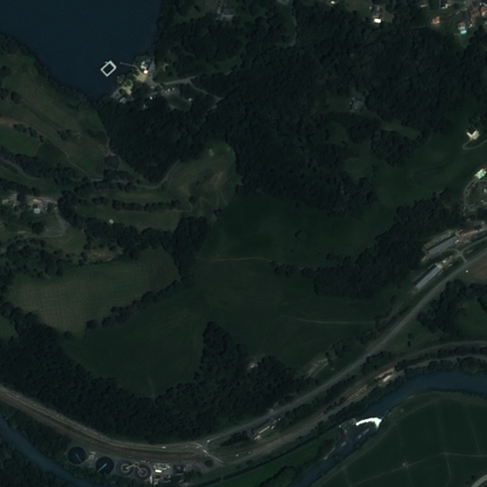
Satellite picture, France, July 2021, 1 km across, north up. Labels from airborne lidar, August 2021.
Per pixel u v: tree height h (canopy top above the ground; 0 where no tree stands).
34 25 0
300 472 11
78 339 0
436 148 0
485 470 0
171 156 21
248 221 0
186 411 23
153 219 0
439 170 0
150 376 0
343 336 0
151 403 23
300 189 33
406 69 23
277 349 0
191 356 0
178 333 0
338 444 0
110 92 0
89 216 0
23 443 0
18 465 22
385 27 25
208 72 0
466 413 0
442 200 24
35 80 0
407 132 0
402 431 0
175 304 0
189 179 0
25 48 7
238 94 19
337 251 0
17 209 11
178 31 18
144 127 15
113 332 0
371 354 0
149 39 0
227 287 0
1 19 0
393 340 0
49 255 26
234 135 18
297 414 22
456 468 0
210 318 0
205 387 25
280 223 0
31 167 29
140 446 0
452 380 0
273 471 0
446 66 19
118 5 0
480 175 0
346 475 0
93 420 31
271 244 0
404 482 0
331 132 21
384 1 20
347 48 29
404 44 28
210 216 0
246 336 0
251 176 17
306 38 11
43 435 9
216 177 0
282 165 33
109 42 0
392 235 21
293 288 0
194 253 17
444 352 15
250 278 0
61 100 0
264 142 33
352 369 0
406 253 24
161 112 24
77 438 0
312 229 0
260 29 29
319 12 17
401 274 21
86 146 0
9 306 22
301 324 0
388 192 0
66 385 30
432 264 7
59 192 0
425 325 19
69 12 0
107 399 29
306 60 31
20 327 21
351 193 28
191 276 16
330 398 7
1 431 0
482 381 0
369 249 12
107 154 0
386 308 0
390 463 0
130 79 13
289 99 19
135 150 25
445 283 0
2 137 0
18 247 16
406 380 13
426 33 20
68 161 0
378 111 18
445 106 21
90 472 20
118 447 0
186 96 17
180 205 28
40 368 26
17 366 30
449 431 0
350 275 22
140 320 0
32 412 0
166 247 20
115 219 0
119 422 29
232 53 20
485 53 20
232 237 0
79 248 0
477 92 23
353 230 0
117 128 15
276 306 0
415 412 0
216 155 0
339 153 26
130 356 0
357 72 22
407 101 17
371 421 0
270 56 28
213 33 26
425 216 21
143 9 0
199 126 21
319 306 0
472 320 0
